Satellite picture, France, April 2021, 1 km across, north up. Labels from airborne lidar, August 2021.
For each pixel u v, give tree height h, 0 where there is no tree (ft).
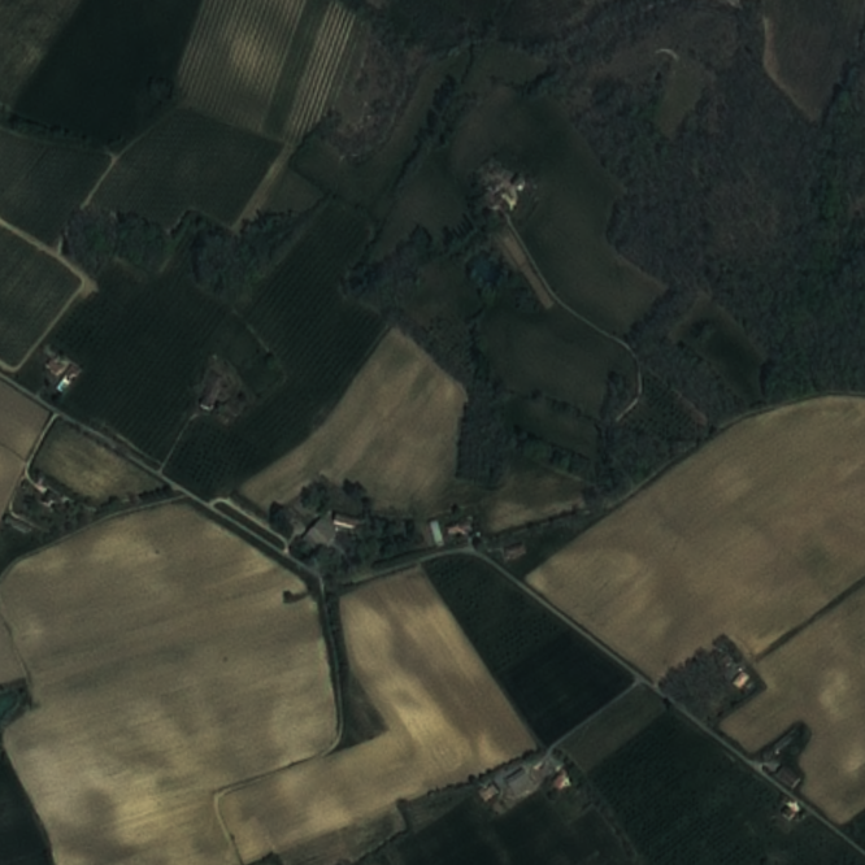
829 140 77
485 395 42
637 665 0
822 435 0
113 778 0
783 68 0
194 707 0
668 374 63
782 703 0
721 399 56
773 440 0
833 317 93
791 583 0
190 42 0
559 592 0
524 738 0
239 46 0
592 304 0
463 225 0
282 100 0
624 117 48
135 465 0
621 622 0
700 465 0
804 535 0
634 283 0
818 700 0
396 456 0
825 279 59
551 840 0
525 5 0
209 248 82
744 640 0
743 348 0
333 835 0
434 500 0
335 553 38
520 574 0
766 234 53
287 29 0
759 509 0
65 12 0
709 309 0
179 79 0
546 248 0
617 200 0
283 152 0
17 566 0
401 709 0
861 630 0
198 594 0
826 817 0
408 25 0
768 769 18
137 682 0
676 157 67
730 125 43
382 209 0
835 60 0
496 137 0
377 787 0
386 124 40
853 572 0
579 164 0
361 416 0
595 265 0
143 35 0
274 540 0
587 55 44
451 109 87
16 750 0
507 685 0
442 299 0
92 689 0
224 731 0
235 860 0
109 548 0
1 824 0
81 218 53
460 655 0
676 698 70
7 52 0
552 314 0
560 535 0
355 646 0
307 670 0
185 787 0
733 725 0
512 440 51
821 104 0
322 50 0
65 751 0
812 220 74
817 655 0
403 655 0
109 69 0
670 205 44
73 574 0
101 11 0
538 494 0
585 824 0
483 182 28
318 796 0
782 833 0
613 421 57
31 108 0
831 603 0
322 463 0
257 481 0
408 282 62
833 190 73
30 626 0
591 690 0
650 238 51
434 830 0
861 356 77
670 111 0
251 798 0
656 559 0
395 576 0
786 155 60
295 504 0
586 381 0
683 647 0
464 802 0
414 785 0
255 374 0
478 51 31
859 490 0
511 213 23
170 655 0
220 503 0
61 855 0
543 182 0
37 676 0
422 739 0
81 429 34
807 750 0
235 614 0
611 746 0
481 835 0
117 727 0
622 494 62
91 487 0
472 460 35
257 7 0
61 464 0
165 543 0
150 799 0
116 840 0
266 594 0
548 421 0
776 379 76
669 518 0
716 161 57
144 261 62
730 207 45
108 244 72
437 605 0
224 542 0
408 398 0
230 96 0
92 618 0
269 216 22
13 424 0
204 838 0
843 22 0
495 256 33
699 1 30
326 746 0
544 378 0
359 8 35
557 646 0
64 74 0
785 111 61
